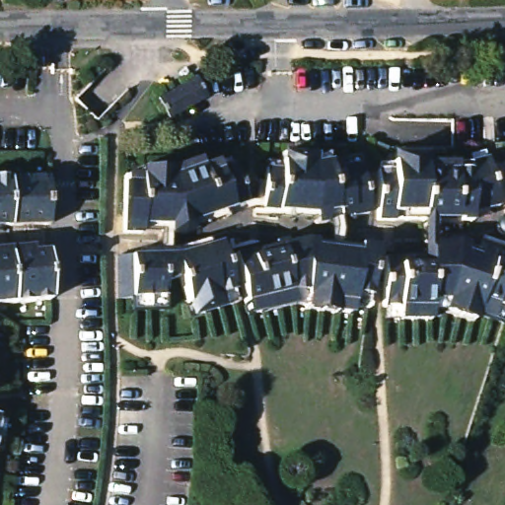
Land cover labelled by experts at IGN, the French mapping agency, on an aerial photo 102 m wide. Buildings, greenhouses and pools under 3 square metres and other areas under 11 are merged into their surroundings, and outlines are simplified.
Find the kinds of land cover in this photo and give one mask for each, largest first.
<instances>
[{"label":"impervious surface","instance_id":"1","mask_svg":"<svg viewBox=\"0 0 505 505\"><path fill-rule=\"evenodd\" d=\"M32 37L30 45L37 57V65L43 67L37 93H30L24 89L16 91L0 79V150H28L34 148L36 138L41 142V146L53 148L57 154V162L53 166H47L43 160H12L0 164V170L18 174L22 195L34 193L37 176L43 172L53 176L57 191L55 219L0 221V243L16 245L18 241H39L57 247L61 268L59 290H63L65 294L61 296V300H49L51 308V320L55 324L51 327L36 325L34 329H28L26 333L30 337V349H26V355H22L14 367L18 373H14V377L8 383L0 385V408H4V416L8 420L6 436L0 444V505H2V483L8 454L12 452V440H20L26 444V454L20 456L18 464V477L22 479V483L14 489V505H87L93 501V468L99 464V456L95 452L99 448L101 404H105V389L103 379H99L103 363L99 361V351L105 349V339L103 331H87L83 320L93 318L97 316V312H101L99 296H103V292L97 288L99 258H110L114 254V251L124 252L130 247L160 243L168 237V227H160L158 223H154L152 229H130L128 219L122 215L114 219L112 215L116 152L114 140L124 128L142 126L146 120L166 112L168 108L162 101L166 87L162 83H168L170 77L187 75L189 67L195 65L205 57V51L197 47V39L211 37L223 41L225 47H231L235 53V65L231 67L227 79L213 81V97L209 105L205 101H199L195 108H189V112L172 114V126L181 134L189 136V146L168 152L164 162L168 164L166 180L172 183L181 174V164L195 156H207V172H215L221 181L233 178L237 180V191L243 201H235L229 207H221L213 211L209 217L203 215L197 207H191L187 211L189 219L185 225H180L176 229L174 241L178 245H185L201 237H229L235 241L256 239V245L235 251L237 256L245 260L252 258L256 252L262 254L272 249H290L296 256L312 260V256L302 247L300 237L322 235L324 239H333L337 235L335 217L322 215L320 225L314 223L312 215L262 213V221H256L252 217L247 199L262 195L266 185V168L270 160H280L284 150L306 154V158L318 150H333L345 174L343 185L353 187L361 183L367 185V181H379V170L389 160L397 158L398 150L412 152L418 146L416 140H422L432 134L438 140V158L458 156L469 160L473 152L487 148L495 162L501 166V172L505 176V67L501 71H493L489 81H483L479 85H468V79H458L444 85L442 81L436 83V79L428 77L426 71L412 67V59L428 57L430 49L414 51L412 45L420 39L432 37L450 49H460V41L468 37L479 41H493L505 49V0H0V47H10L12 37ZM73 41L79 49L103 47L105 51L118 53L122 55V63L108 75L107 79H103L101 85L91 81L83 89L75 91L73 67H61L59 81L53 77L55 63H61V55L69 51ZM77 105H87L95 120H99L101 116H108L112 124L103 126L99 132L81 134ZM101 138H107V225L110 227L108 237L99 235L97 229V140ZM489 213L475 215V221L471 223L458 221L456 217L438 219V254L428 252V247L424 243L426 229L420 223L377 227L369 217H351V211L347 209V231L343 235L351 243H361L363 239H367L371 245H375L377 256L391 264L393 272L404 266V260L412 262L414 258L432 260L440 266H444L446 262L468 264L471 268L491 272L495 260L501 256V274L505 276V203H491L487 209ZM170 296L168 304L176 308L185 300L183 282L178 278L172 280L170 288L166 290ZM391 318L406 322H426L432 320V316L428 314H408L400 302H395L387 312ZM195 379L176 377L168 371L166 365L156 367L152 375L126 377L116 373V428L112 442L114 446L122 448L118 456H110L107 505H185L187 489L191 485L189 471Z\"/></svg>","mask_w":505,"mask_h":505},{"label":"building","instance_id":"2","mask_svg":"<svg viewBox=\"0 0 505 505\"><path fill-rule=\"evenodd\" d=\"M166 87L162 101L168 108L172 114L189 112V108H195L199 101H205L209 105L213 97V81L205 79L203 71L195 65L189 67L187 75L170 77L168 83H162ZM418 146L412 152L398 150L397 158L389 160L379 170V181H367V185L361 183L353 187L343 185L345 174L333 150H318L306 158V154L284 150L280 160H270L266 168V185L262 195L247 199L252 217L256 221H262V213L312 215L314 223L320 225L322 215L335 217L337 235L333 239H324L322 235L300 237L302 247L312 256V260L296 256L290 249H272L262 254L256 252L252 258L245 260L237 256L235 251L256 245V239L235 241L229 237H201L185 245H178L174 241L176 229L180 225H185L189 219L187 211L191 207H197L203 215L209 217L213 211L221 207H229L235 201H243L237 191V180L233 178L221 181L215 172H207V156H195L181 164V174L172 183L166 180L168 164L164 162H148L142 168H134L132 172H128L124 174L122 181V215L128 219L130 229H152L154 223H158L160 227H168V237L160 243L130 247L124 252L114 251V298L138 300L142 306L168 304L170 296L166 290L170 288L172 280L178 278L183 282L185 300L195 312H199L201 308L205 312H217L219 308L233 304H245V308L251 310L254 304L260 308H270L296 300H302V308L306 312L310 310L331 314L351 316L353 312H359L365 304L371 308H373L375 300H383V308L387 312L395 302H400L408 314H428L432 316V320H438L440 314L446 312L454 318H462L468 322H475L477 316L491 320H497V324L505 322V276L501 274V256L495 260L491 272L471 268L468 264L446 262L444 266H440L432 260L414 258L412 262L404 260V266L393 272L391 264L377 256L375 245H371L367 239H363L361 243H351L343 235L347 231V209L351 211V217H369L377 227L420 223L426 229L424 243L428 247V252L438 254V219L456 217L458 221L471 223L475 221V215L489 213L487 209L491 203H505V176L501 172V166L495 162L487 148L473 152L469 160L458 156L438 158V140L432 134L422 140H416ZM57 191L53 176L43 172L37 176L34 193L22 195L18 174L0 170V221L55 219ZM61 268L57 247L39 241H18L16 245L0 243V304H41L49 300H61V296L65 294L63 290H59ZM8 420L4 416V408H0V444L6 436Z\"/></svg>","mask_w":505,"mask_h":505},{"label":"brushwood","instance_id":"3","mask_svg":"<svg viewBox=\"0 0 505 505\"><path fill-rule=\"evenodd\" d=\"M81 134L99 132L103 126L112 124L108 116H101L99 120H95L87 105H77ZM12 160H43L47 166H53L57 162V154L53 148L41 146V142L36 138L34 148L28 150H0V164ZM97 229L99 235L108 237L110 227L107 225V138H101L97 140ZM168 152L128 156V172H132L134 168H142L148 162H164ZM97 288L103 292V296H99L101 312H97V316L93 318L83 320L87 331H103L105 339V349L99 351V361L103 363L99 379H103L105 389V404H101L99 448L95 452L99 456V464L93 468V501L87 505H107L110 456H118L122 448L114 446L112 442L116 428V373L126 377L152 375L156 367L146 357H134L128 351H124L122 345L116 343V337H126L134 345L144 349L189 347L215 355L233 353L235 361H251L254 345L260 347V351L282 349L290 333L308 335L310 310L306 312L302 308L290 306L284 308L280 314H272L268 318H260L258 314H252L251 310L245 308V304H233L219 308L217 312H205L201 308L199 312H195L185 300L176 308L168 304L142 306L138 300L114 298V254L110 258H99ZM55 324L51 320V308H47L43 316H26L20 312V304H0V325L12 329L10 349L12 353L22 355H26V349H30V337L26 333L28 329H34L36 325L51 327ZM377 308H371L365 320L363 363L357 365V355L353 353L347 367L343 371H335L333 379L345 377L347 391L357 400L359 408H377V391L381 385L385 381L383 373L379 375L377 371ZM359 312H353L351 316L331 314L327 349L339 353L345 345L353 343L351 325H357ZM491 320L477 316L475 322H468L462 318H454L446 312L440 314L438 320H432L426 322V339L436 341L438 351H446L454 349L458 341L464 347L475 341L487 343ZM460 444L466 450L464 462L460 466L464 471V481L458 487L450 489L448 495L434 493L428 505H471V483L487 469V446L491 444L493 448H501L505 444V353L495 357L475 422L471 426V434L468 436L460 440ZM168 371L176 377L195 379L189 471L191 485L203 493V499L207 501L205 505H266V491L262 485L256 483L251 464H237L233 458L235 408L241 402L237 379L245 371H233L211 361L183 357L170 359L166 365ZM426 440H420L412 428L406 426L397 428L391 434V452L397 458H404L406 466L418 462L424 450L438 452L446 448L450 444V418L446 412L430 414V422L426 426ZM26 444L20 440H12V452L8 454L2 483V505H14V489L22 483V479L18 477V464L20 456L26 454ZM302 505H373L369 485L361 473L351 471L349 475H339L335 479L333 489H318L314 481H308L300 491H296Z\"/></svg>","mask_w":505,"mask_h":505},{"label":"herbaceous vegetation","instance_id":"4","mask_svg":"<svg viewBox=\"0 0 505 505\"><path fill-rule=\"evenodd\" d=\"M122 63V55L118 53L105 51L103 47L79 49L73 41L69 51L61 55V63H55L53 77L59 81L61 67H73L75 91L83 89L91 81L101 85L103 79H107L108 75ZM160 124L172 126V114L168 108L166 112L146 120L142 126L148 144H156V132ZM128 156L126 152H116L112 215L114 219L122 215V181L124 174L128 172ZM47 308H51L49 300L41 304H20V312L26 316H43ZM290 306L302 308V300H296L270 308H260L254 304L251 310L252 314H258L260 318H268L272 314H280L284 308ZM371 308L365 304L359 312L357 325H351L353 343L345 345L339 353L327 349L331 314L310 310L308 335L290 333L282 349L260 351V369L245 371L237 379L241 402L235 408L233 458L237 464H251L256 483L262 485L266 491V505H302L296 491L280 481L278 464L282 452L302 448L316 468L314 481L318 489H333L335 479L339 475H349L351 471L361 473L369 485L373 505H381V442L377 408H359L357 400L347 391L345 377L333 379L335 371H343L347 367L353 353L357 355V365L363 363L365 320ZM260 416L268 420L270 452H262L260 448ZM387 353V371L383 373L385 381L381 385L387 387L391 434L397 428L406 426L412 428L420 440H426V426L430 422V414L446 412L450 418V436L460 440L468 436L464 434V430L471 402L481 381V373L487 367V353L493 351L495 357L505 353V322L497 324V320H491L487 343L475 341L464 347L458 341L454 349L446 351H438L436 341L426 339V322H406L391 318L383 325ZM12 329L0 325V385L8 383L14 377V373H18L14 367L22 355L12 353L10 349ZM487 469L471 483V505H505V444L501 448H493L491 444L487 446ZM406 466L404 458H397L391 452L393 489L389 505H428L434 493L424 489L422 477L402 479L397 471ZM207 501L203 499V493L191 485L187 489L185 505H205Z\"/></svg>","mask_w":505,"mask_h":505},{"label":"deciduous trees","instance_id":"5","mask_svg":"<svg viewBox=\"0 0 505 505\"><path fill-rule=\"evenodd\" d=\"M32 37H12L10 47H0V79L16 91L24 89L30 93H37L43 67L37 65V57L30 45ZM197 47L205 51V57L195 65L203 71L205 79L213 81L227 79L231 67L235 65V53L231 47H225L223 41L211 37L197 39ZM414 51L430 49L428 57L412 59V67L426 71L428 77L436 79V83L442 81L444 85L458 79H468V85H479L483 81H489L493 71H501L505 67V49L493 41H479L468 37L460 41V49H450L432 37L420 39L412 45ZM116 152H126L128 156L168 152L189 146V136L181 134L172 126L160 124L156 132V144H148L142 126L124 128L114 140ZM466 450L460 444V440L450 436V444L446 448L438 452L424 450L418 462L406 466L397 471L402 479L422 477L424 489L434 493L448 495L450 489L458 487L464 481V471L460 466L464 462ZM316 468L302 448L282 452L278 464L280 481L296 491H300L308 481H314Z\"/></svg>","mask_w":505,"mask_h":505},{"label":"pervious surface","instance_id":"6","mask_svg":"<svg viewBox=\"0 0 505 505\"><path fill-rule=\"evenodd\" d=\"M373 308H377V371L379 375L387 371V353L383 325L391 318L387 312L383 308V300H375ZM116 343L122 345L124 351H128L134 357H146L156 367L166 365L170 359L183 357L211 361L233 371H245L260 369V347L254 345L251 361H235L233 353L215 355L189 347L144 349L134 345L126 337H116ZM495 357L493 351L487 353V367L481 373V381L471 402L464 430V434L468 436L471 434V426L475 422ZM381 442V505H389L393 489L391 452V434L387 387L381 385L377 391V408ZM260 448L262 452H270L268 420L260 416Z\"/></svg>","mask_w":505,"mask_h":505}]
</instances>
